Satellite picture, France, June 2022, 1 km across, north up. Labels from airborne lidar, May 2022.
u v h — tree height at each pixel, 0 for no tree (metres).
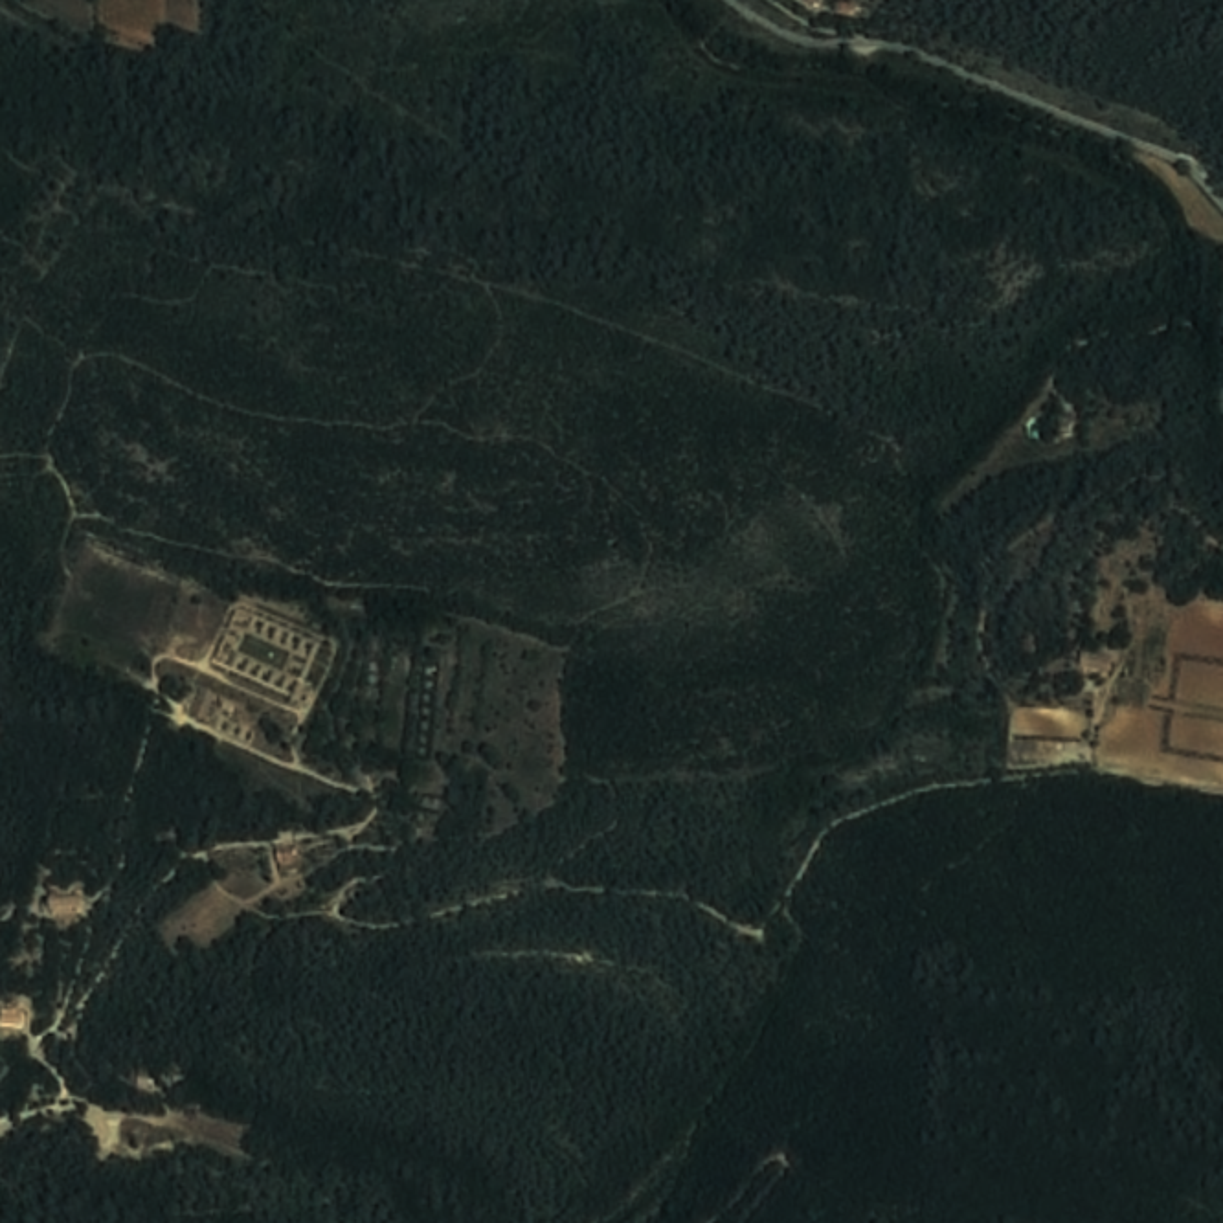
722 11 0
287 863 0
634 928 13
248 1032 16
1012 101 6
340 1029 11
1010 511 11
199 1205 12
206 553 6
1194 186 0
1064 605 21
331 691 8
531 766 0
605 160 20
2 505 6
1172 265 7
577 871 11
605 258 18
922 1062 8
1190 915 6
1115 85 9
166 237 7
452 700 9
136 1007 8
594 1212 7
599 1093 15
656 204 10
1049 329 6
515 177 24
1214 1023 8
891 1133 6
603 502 7
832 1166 6
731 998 15
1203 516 17
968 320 19
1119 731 0
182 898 16
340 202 9
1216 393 13
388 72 6
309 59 9
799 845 12
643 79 16
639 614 0
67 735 6
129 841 9
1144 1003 14
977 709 17
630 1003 14
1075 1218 8
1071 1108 9
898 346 16
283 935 16
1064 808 7
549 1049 11
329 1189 18
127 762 7
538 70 15
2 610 10
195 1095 10
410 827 8
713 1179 7
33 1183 6
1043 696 8
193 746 8
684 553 8
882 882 6
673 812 11
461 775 17
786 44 0
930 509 13
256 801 15
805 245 8
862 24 11
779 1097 7
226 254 12
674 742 8
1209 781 0
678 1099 10
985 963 9
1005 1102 7
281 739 8
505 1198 14
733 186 10
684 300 14
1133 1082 13
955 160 5
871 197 6
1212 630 0
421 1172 14
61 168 6
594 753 10
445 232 8
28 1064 6
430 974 18
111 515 6
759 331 13
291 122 16
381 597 10
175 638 0
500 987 17
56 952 6
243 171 6
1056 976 5
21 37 15
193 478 7
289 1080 8
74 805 8
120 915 19
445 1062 11
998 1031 8
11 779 7
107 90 10
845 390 20
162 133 10
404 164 19
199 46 18
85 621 0
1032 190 6
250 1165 8
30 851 6
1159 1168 8
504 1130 17
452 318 9
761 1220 9
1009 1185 10
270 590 9
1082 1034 7
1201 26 21
